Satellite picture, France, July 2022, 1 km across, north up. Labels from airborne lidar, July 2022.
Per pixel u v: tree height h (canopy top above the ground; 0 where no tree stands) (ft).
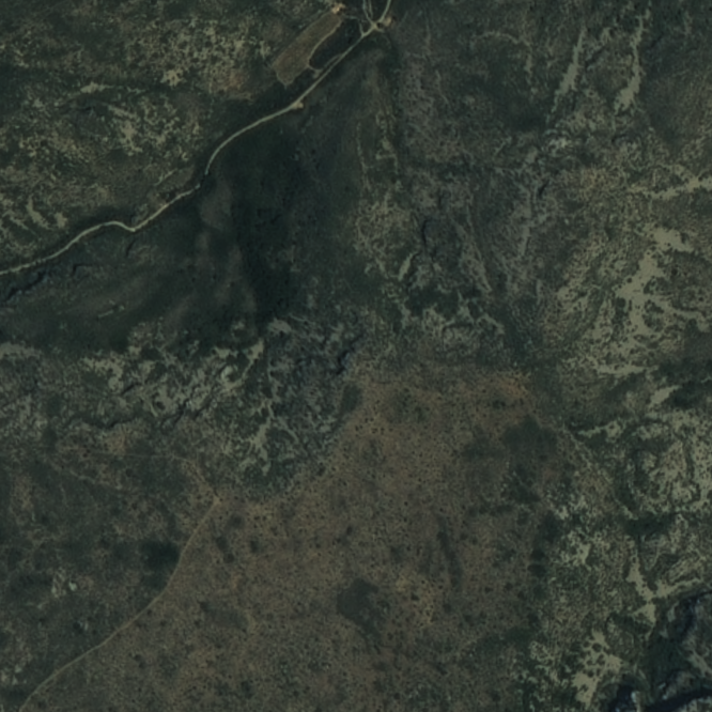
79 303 0
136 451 0
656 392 0
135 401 0
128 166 0
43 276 22
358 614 0
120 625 0
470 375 0
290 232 0
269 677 0
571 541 0
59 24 0
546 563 0
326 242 0
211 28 0
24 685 0
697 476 0
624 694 27
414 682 0
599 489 0
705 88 0
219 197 0
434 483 0
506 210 0
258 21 0
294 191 20
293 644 0
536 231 0
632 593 28
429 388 0
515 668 0
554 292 0
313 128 0
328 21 0
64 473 0
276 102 27
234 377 26
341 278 0
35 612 0
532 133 0
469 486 0
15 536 0
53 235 0
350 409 0
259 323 29
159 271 0
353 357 0
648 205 0
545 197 0
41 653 0
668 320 0
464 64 0
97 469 0
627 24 29
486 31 0
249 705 0
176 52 0
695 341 0
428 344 0
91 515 0
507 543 0
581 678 0
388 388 0
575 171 0
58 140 0
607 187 0
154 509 0
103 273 0
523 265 0
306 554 0
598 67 0
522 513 0
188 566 0
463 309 0
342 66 0
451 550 0
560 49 0
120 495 0
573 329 0
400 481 0
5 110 0
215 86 0
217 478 0
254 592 0
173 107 0
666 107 0
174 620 0
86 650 0
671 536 0
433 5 0
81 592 0
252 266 33
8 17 0
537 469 0
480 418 0
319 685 0
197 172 18
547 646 26
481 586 0
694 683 37
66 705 0
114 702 0
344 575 0
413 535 0
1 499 0
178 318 0
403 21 0
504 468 0
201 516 0
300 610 0
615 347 0
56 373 0
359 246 0
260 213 33
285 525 0
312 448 0
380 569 0
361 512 0
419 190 0
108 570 0
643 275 0
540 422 0
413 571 0
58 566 0
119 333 0
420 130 0
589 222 0
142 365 0
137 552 0
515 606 0
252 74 0
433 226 0
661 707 25
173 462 0
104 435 0
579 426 24
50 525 0
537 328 0
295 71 0
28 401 0
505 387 0
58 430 0
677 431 0
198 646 0
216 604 0
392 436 0
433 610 0
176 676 0
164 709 0
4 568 0
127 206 0
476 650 0
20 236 0
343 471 0
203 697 0
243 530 0
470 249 0
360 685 0
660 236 0
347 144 0
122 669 0
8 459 0
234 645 0
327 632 0
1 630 0
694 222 0
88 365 0
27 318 0
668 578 17
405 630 0
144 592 0
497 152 0
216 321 25
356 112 0
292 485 0
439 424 0
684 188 0
